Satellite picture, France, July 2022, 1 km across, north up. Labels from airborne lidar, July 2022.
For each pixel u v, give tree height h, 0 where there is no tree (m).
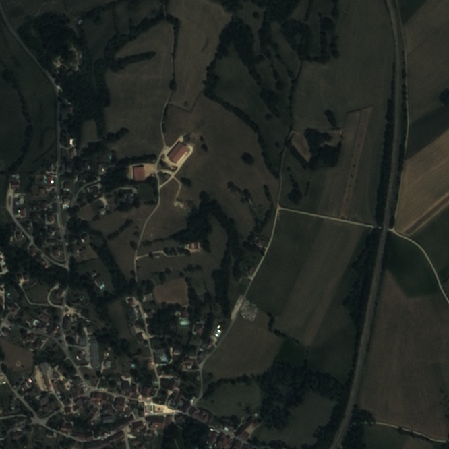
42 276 16
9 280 9
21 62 0
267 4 17
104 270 0
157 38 0
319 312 0
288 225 0
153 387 0
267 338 0
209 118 0
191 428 17
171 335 13
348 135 0
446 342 0
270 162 8
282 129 0
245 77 0
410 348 0
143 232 0
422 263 0
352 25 0
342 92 0
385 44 0
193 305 12
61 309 0
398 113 0
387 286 0
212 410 0
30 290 0
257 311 0
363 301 16
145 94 0
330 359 0
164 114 7
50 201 0
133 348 0
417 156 0
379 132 0
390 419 0
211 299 18
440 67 0
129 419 0
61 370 0
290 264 0
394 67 7
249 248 17
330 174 0
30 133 16
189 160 0
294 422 0
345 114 0
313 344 0
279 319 0
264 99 16
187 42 0
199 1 0
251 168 0
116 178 7
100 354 0
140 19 0
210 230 14
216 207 18
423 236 0
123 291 16
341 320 0
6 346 0
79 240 12
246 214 0
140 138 0
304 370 13
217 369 0
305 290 0
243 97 0
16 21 0
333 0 14
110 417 0
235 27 16
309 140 20
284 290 0
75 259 12
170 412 0
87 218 0
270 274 0
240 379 11
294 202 18
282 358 0
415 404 0
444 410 0
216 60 7
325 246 0
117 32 8
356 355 11
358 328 12
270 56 15
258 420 10
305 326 0
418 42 0
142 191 0
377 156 0
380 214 14
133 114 0
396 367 0
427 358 0
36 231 11
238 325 0
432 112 0
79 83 7
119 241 0
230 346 0
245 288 0
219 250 0
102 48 0
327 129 0
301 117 0
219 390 0
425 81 0
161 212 0
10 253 10
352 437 17
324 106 0
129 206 15
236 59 0
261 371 0
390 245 13
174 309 15
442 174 0
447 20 0
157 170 0
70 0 0
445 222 0
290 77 11
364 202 0
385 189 17
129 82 0
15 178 0
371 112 0
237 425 8
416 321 0
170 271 13
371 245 23
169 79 0
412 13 0
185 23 0
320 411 0
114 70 7
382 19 0
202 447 14
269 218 8
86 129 0
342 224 0
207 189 0
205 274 0
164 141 0
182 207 0
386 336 0
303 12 0
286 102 0
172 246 0
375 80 0
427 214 0
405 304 0
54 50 13
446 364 0
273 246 0
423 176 0
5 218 0
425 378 0
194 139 0
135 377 15
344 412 14
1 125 0
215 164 0
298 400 26
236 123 0
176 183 0
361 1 0
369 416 14
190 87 0
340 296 0
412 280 0
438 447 0
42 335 0
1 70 0
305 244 0
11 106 0
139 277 0
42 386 0
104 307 10
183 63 0
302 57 11
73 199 0
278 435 0
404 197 0
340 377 0
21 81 0
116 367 0
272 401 9
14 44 0
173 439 14
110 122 0
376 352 0
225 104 6
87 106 8
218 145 0
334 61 0
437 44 0
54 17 9
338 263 0
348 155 0
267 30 19
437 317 0
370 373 0
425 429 0
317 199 0
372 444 0
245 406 0
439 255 0
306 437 0
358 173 0
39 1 0
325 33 13
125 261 0
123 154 0
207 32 0
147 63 0
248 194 17
